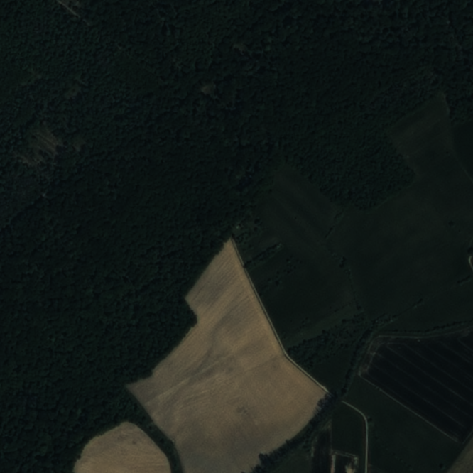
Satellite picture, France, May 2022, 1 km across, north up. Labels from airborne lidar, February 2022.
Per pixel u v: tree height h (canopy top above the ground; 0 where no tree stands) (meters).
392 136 0
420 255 0
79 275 26
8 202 14
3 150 18
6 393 19
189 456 0
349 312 0
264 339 0
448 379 0
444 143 0
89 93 16
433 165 0
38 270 31
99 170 27
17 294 26
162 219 24
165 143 29
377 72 26
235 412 0
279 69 27
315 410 0
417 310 0
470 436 0
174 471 0
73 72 19
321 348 12
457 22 32
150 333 24
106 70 17
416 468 0
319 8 29
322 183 21
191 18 27
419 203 0
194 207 26
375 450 0
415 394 0
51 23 17
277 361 0
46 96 9
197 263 23
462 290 0
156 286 25
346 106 25
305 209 0
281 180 0
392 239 0
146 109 21
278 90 27
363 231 0
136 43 24
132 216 27
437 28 30
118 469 0
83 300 26
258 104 30
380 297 0
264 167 26
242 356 0
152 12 26
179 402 0
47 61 19
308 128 27
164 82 24
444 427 0
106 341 23
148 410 0
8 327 30
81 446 16
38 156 0
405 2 31
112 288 26
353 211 0
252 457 0
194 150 29
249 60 31
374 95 22
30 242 28
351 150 24
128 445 0
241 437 0
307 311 0
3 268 31
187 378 0
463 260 0
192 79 27
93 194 30
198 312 0
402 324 0
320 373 0
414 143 0
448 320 0
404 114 21
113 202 30
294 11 32
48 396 26
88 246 26
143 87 9
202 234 28
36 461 31
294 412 0
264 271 0
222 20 27
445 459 0
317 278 0
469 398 0
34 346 24
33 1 20
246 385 0
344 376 0
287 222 0
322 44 27
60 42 17
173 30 31
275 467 12
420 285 0
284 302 0
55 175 14
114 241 27
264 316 0
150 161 29
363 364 0
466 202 0
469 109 24
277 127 28
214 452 0
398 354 0
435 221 0
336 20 32
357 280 0
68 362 27
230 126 32
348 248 0
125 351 18
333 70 27
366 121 18
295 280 0
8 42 16
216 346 0
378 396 0
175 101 22
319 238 0
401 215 0
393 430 0
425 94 26
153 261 16
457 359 0
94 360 26
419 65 25
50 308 28
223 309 0
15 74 8
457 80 33
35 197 12
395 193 12
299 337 0
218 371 0
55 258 29
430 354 0
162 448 0
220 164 27
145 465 0
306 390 0
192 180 25
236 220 25
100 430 30
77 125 20
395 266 0
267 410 0
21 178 12
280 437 0
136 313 26
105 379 23
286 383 0
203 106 29
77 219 28
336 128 24
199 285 0
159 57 26
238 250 0
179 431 0
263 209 0
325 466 0
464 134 0
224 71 29
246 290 0
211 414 0
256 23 30
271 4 29
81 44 14
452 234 0
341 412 0
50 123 18
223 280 0
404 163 20
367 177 18
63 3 0
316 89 25
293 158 23
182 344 0
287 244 0
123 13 22
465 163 0
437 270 0
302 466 0
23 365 26
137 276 25
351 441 0
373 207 11
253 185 27
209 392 0
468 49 32
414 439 0
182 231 26
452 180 0
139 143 28
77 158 17
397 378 0
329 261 0
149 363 16
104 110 19
